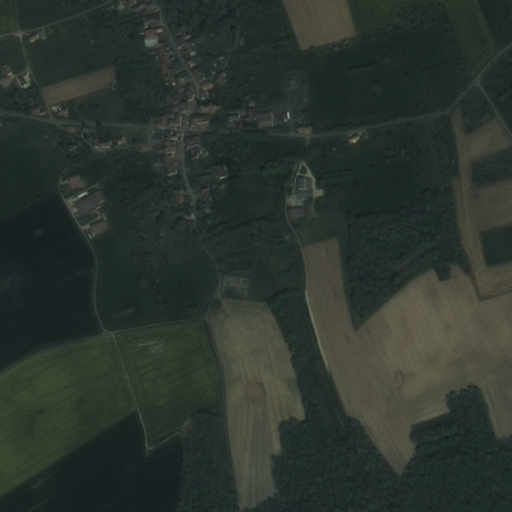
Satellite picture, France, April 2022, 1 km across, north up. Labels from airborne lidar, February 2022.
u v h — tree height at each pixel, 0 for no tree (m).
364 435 19
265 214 0
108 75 0
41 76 0
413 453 0
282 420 0
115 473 0
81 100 0
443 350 0
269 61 0
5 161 0
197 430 19
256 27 0
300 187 0
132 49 0
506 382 0
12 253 0
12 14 0
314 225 0
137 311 0
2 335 0
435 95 0
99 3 0
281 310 17
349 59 0
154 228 0
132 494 0
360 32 0
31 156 0
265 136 15
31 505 0
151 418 0
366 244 20
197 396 0
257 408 0
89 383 0
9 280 0
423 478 22
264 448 0
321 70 0
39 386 0
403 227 20
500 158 0
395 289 19
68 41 0
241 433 0
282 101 0
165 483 0
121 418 0
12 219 0
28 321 0
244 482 0
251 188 0
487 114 0
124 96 8
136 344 0
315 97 0
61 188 9
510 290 0
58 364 0
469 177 0
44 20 0
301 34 0
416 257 0
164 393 0
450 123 0
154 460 0
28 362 0
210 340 0
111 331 0
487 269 0
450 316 0
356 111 0
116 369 0
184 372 0
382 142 10
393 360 0
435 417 0
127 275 0
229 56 9
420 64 0
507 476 27
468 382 0
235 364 0
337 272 0
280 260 0
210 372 0
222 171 0
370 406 0
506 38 0
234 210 0
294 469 10
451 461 27
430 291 0
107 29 8
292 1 0
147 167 0
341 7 0
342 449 23
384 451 0
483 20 0
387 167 0
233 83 8
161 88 0
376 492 24
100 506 0
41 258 0
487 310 0
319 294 0
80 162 9
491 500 23
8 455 0
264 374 0
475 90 0
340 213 0
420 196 0
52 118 0
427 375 0
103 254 0
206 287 0
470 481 26
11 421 0
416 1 0
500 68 9
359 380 0
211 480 23
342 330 0
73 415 0
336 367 0
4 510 0
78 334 0
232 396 0
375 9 0
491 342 0
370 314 15
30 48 0
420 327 0
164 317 0
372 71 0
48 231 0
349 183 0
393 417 0
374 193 0
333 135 0
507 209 0
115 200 0
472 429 25
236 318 0
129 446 0
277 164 16
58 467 0
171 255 0
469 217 0
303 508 26
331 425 0
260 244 13
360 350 0
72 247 0
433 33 0
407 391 0
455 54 0
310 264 0
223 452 15
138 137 0
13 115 0
